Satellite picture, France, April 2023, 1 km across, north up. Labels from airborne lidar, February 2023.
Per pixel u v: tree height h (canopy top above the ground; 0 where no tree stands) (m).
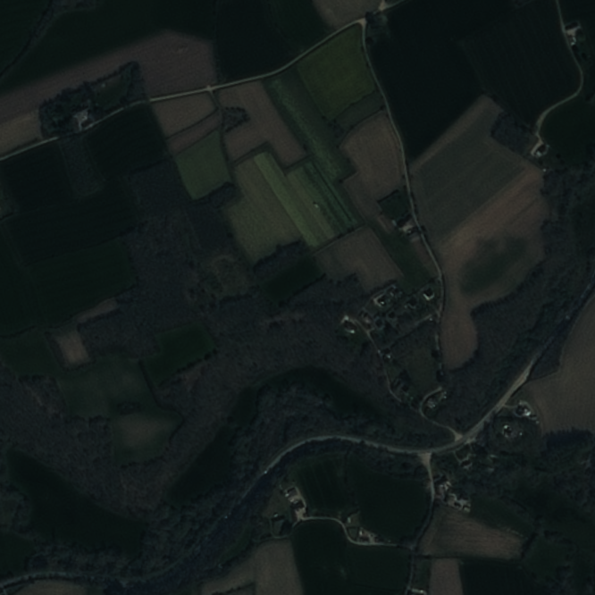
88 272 0
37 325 0
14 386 13
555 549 0
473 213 0
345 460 9
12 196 0
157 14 0
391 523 0
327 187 0
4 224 0
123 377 0
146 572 9
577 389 0
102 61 0
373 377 9
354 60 0
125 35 0
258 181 0
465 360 0
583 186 9
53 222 0
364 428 16
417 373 0
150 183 11
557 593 29
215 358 12
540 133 0
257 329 12
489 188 0
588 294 11
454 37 0
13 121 0
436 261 9
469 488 13
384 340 15
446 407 8
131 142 0
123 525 0
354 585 0
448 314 0
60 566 7
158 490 11
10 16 0
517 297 14
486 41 0
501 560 0
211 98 0
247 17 0
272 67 0
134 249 13
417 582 8
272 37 0
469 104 0
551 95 0
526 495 0
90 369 0
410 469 10
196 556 19
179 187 11
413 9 0
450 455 0
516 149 14
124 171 0
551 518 0
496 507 0
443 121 0
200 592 0
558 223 8
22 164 0
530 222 0
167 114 0
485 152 0
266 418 6
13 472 0
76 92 6
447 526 0
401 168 0
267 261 12
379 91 8
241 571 0
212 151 0
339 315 15
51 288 0
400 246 0
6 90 0
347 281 9
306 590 0
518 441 14
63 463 13
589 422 0
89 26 0
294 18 0
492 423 12
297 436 7
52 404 8
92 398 0
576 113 0
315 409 15
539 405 0
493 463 8
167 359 0
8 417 16
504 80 0
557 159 12
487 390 8
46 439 17
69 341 0
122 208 0
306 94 0
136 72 15
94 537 0
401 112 0
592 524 0
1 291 0
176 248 12
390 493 0
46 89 0
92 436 13
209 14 0
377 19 9
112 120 0
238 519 17
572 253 17
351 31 0
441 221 0
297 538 0
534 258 0
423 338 12
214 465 0
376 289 7
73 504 0
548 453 30
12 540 0
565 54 0
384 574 0
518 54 0
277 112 0
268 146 0
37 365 0
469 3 0
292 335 16
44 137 14
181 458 15
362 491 0
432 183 0
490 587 0
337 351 15
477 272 0
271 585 0
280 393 13
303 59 0
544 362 12
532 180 0
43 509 0
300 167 0
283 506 0
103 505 17
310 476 0
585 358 0
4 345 0
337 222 0
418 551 8
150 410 0
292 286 0
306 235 0
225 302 11
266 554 0
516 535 0
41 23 7
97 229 0
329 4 0
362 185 0
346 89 0
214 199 11
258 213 0
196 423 13
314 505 0
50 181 0
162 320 10
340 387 0
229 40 0
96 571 7
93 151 0
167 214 8
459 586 0
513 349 9
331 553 0
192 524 14
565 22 0
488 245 0
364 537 0
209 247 9
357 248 0
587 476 11
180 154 0
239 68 0
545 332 10
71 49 0
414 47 0
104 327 11
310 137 0
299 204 0
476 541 0
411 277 0
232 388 15
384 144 0
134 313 16
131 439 0
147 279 11
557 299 16
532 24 0
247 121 7
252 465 7
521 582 0
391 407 16
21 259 0
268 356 16
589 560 0
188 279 13
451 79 0
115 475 13
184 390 12
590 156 25
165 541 7
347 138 0
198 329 0
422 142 0
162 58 0
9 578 10
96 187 7
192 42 0
